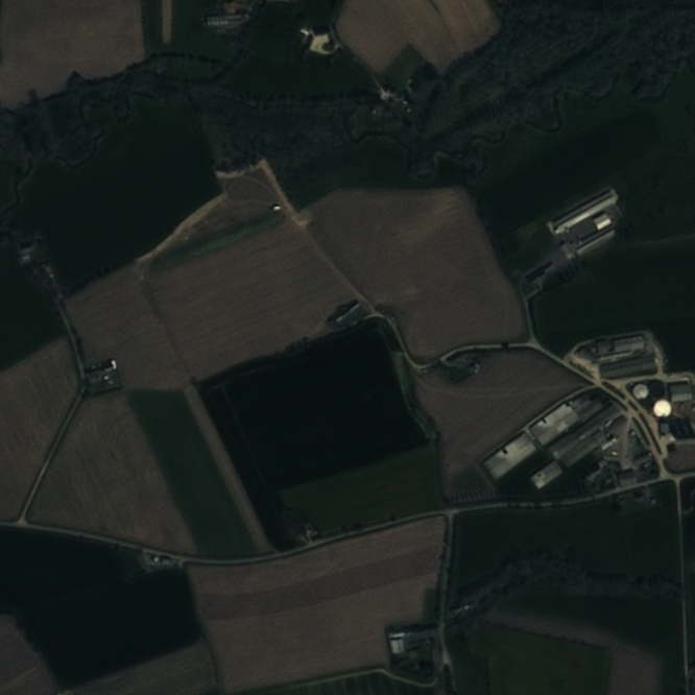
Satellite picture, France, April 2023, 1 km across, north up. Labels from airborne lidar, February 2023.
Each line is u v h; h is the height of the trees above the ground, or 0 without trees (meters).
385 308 0
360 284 0
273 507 0
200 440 0
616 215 0
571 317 0
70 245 0
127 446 0
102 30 0
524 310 0
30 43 0
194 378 0
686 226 0
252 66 0
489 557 0
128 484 0
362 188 0
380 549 0
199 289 0
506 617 0
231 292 0
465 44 0
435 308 0
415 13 0
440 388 0
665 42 11
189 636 0
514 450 0
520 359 0
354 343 0
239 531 0
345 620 0
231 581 0
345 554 0
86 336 0
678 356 0
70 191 0
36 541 0
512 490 0
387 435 0
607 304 0
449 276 0
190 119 0
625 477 0
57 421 0
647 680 0
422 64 0
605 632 0
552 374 0
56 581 0
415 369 0
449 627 9
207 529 0
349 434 0
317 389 0
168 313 0
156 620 0
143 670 0
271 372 0
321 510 0
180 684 0
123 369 0
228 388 0
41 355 0
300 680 0
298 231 0
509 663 0
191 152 0
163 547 0
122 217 0
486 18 0
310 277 0
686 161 0
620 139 0
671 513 0
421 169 25
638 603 0
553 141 0
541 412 0
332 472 0
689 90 0
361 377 0
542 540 0
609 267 0
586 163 0
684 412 0
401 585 0
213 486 0
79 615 0
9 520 0
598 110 0
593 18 18
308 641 0
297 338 0
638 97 9
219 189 0
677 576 0
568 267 0
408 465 0
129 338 0
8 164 0
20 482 0
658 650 0
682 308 0
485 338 0
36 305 0
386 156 0
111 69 0
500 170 0
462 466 0
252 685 0
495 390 0
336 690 0
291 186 6
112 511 0
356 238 0
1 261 0
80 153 7
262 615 0
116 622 0
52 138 29
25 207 0
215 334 0
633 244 18
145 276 0
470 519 0
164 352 0
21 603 0
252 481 0
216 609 0
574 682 0
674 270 0
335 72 0
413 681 0
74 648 0
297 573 0
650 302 0
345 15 0
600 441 0
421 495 0
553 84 13
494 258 0
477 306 0
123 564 0
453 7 0
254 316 0
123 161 0
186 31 0
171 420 0
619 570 0
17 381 0
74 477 0
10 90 0
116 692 0
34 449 0
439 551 0
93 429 0
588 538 0
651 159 0
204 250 0
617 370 0
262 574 0
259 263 0
